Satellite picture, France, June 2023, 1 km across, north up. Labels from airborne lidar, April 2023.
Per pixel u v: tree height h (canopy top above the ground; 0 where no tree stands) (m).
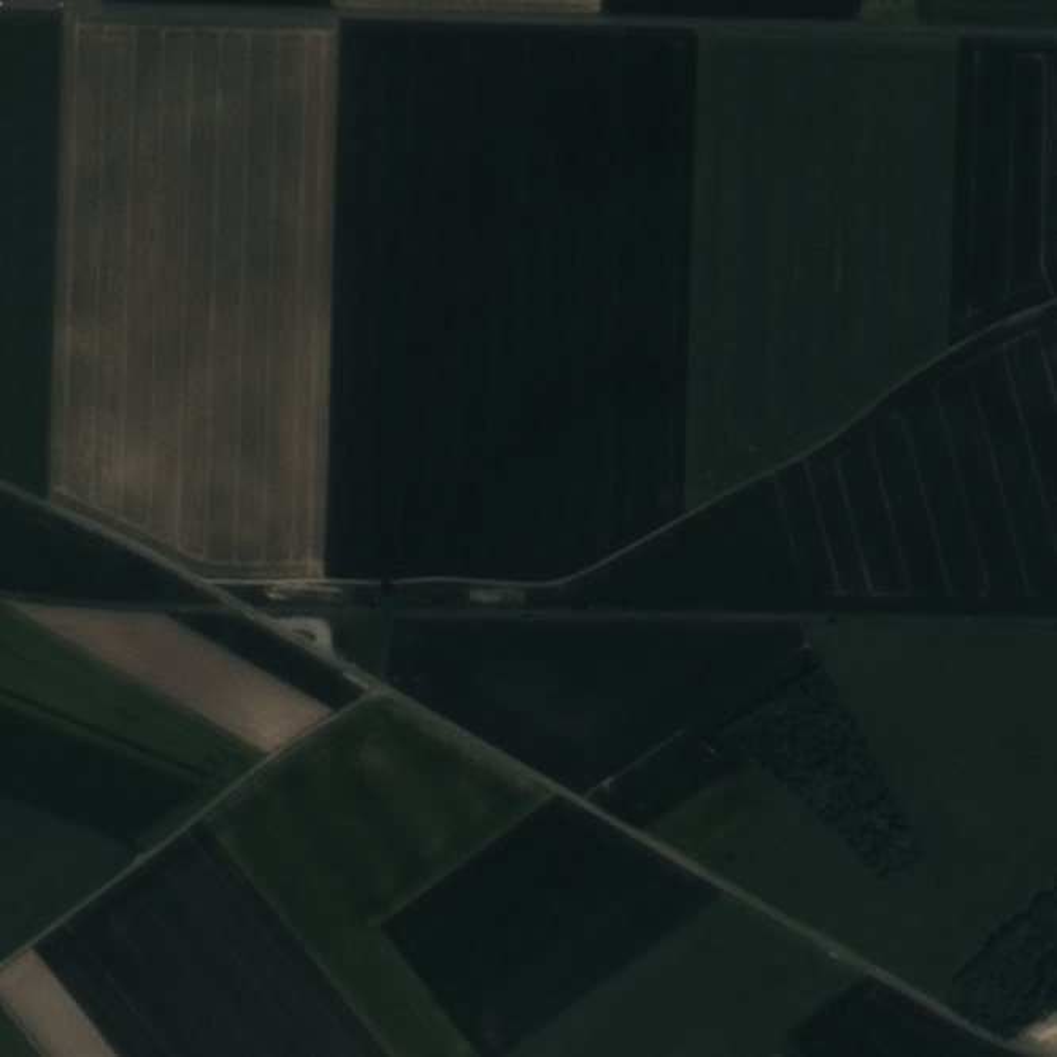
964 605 0
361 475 0
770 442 0
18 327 0
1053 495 0
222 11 0
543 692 0
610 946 0
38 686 0
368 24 0
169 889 0
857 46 0
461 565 0
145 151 0
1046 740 0
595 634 0
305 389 0
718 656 0
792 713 7
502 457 0
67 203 0
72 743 0
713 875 0
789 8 0
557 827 0
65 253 0
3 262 0
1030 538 0
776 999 0
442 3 0
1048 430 0
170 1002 0
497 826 0
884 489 0
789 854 0
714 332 0
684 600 0
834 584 0
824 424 0
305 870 0
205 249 0
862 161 0
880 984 0
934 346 0
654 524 0
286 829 0
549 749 0
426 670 0
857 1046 0
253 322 0
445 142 0
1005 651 0
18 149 0
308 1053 0
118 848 0
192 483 0
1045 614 0
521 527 0
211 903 0
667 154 0
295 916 0
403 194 0
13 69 0
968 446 0
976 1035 0
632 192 0
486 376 0
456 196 0
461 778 0
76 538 0
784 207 0
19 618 0
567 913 0
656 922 0
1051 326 0
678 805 0
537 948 0
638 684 0
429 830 0
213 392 0
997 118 0
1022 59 0
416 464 0
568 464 0
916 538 0
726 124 0
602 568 0
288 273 0
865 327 0
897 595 0
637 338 0
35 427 0
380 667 0
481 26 0
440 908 0
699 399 0
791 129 0
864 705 0
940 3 0
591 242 0
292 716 0
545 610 0
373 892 0
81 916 0
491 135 0
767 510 0
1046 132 0
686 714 0
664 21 0
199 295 0
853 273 0
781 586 0
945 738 0
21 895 0
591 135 0
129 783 0
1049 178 0
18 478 0
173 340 0
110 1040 0
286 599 0
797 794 16
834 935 0
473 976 0
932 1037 0
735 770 0
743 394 0
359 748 0
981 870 0
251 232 0
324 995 0
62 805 0
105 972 0
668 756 0
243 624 0
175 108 0
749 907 0
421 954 0
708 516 0
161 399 0
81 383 0
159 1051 0
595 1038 0
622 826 0
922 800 0
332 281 0
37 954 0
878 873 9
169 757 0
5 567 0
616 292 0
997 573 0
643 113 0
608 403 0
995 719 0
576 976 0
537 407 0
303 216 0
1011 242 0
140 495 0
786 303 0
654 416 0
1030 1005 14
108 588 0
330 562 0
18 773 0
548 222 0
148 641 0
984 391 0
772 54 0
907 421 0
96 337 0
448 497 0
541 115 0
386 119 0
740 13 0
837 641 0
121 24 0
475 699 0
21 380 0
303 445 0
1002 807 0
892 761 0
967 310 0
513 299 0
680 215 0
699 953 0
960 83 0
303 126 0
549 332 0
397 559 0
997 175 0
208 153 0
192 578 0
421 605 0
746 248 0
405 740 0
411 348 0
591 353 0
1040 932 14
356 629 0
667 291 0
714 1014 0
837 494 0
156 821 0
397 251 0
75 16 0
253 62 0
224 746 0
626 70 0
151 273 0
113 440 0
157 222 0
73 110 0
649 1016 0
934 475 0
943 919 0
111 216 0
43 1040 0
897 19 0
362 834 0
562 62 0
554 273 0
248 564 0
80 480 0
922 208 0
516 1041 0
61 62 0
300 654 0
